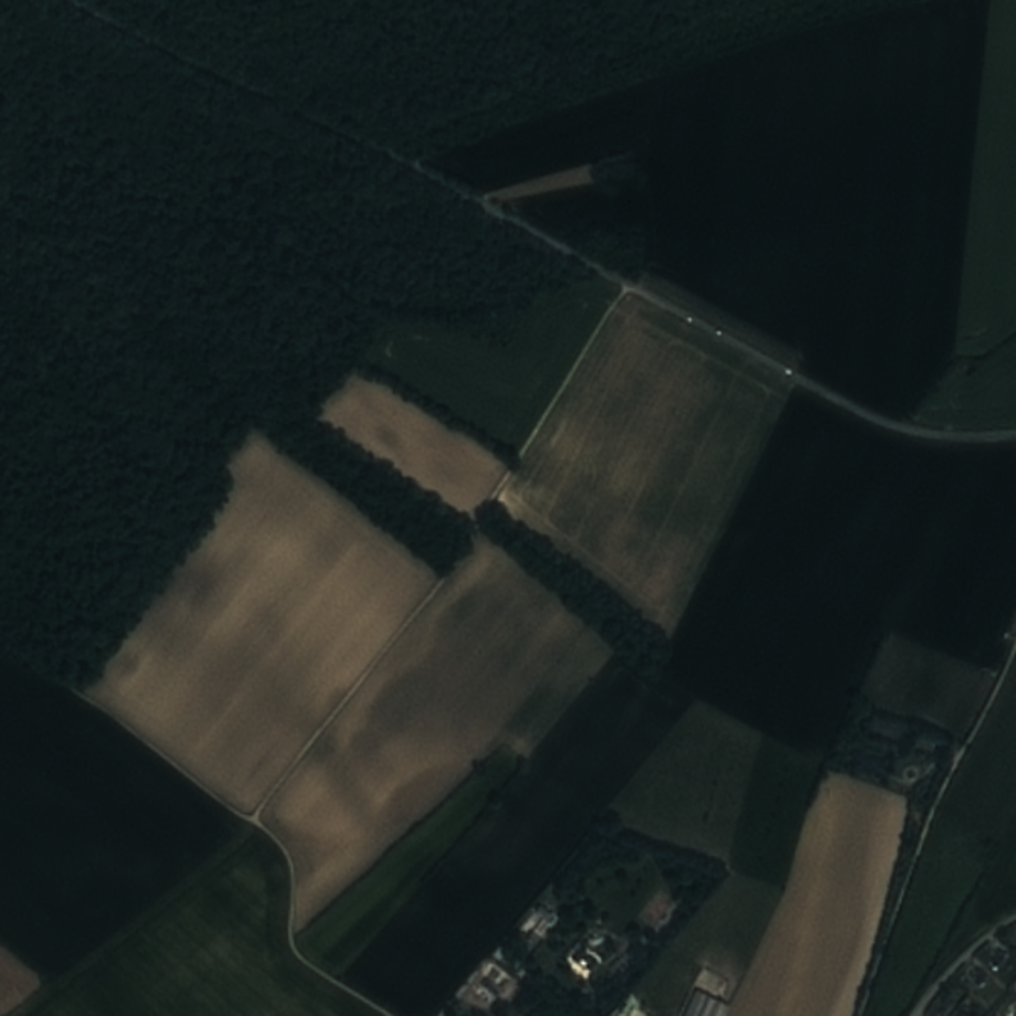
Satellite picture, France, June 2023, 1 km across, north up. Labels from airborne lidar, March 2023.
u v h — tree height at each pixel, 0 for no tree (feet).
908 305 0
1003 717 0
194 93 73
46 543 45
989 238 0
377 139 63
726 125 0
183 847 0
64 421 33
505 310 64
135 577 58
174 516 54
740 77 0
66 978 0
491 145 0
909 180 0
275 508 0
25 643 46
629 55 22
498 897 0
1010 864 0
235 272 70
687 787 0
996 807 0
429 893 0
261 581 0
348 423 0
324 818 0
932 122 0
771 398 0
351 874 0
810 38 0
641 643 70
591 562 0
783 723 0
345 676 0
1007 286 0
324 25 71
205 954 0
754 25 21
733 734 0
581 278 51
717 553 0
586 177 0
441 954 0
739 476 0
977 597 0
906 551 0
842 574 0
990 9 0
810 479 0
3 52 63
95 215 78
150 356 63
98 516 33
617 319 0
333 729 0
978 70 0
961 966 0
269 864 0
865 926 0
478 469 0
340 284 21
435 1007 0
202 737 0
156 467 54
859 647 0
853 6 32
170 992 0
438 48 53
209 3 58
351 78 75
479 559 0
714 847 0
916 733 43
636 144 0
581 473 0
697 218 0
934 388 23
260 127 66
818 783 25
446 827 0
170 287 70
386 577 0
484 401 0
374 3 56
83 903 0
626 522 0
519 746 0
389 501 28
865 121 0
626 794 0
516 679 0
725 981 0
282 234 74
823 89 0
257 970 0
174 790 0
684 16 37
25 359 58
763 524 0
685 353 0
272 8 71
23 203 77
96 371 42
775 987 0
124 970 0
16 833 0
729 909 0
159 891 0
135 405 52
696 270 0
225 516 0
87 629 59
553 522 0
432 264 61
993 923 0
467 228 72
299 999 0
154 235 86
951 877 0
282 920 0
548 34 42
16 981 0
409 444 0
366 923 0
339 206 73
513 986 0
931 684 0
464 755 0
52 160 80
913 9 0
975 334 0
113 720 0
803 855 0
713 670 0
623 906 0
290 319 75
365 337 51
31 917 0
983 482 0
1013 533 0
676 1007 0
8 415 52
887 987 0
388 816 0
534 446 0
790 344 0
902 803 0
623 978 52
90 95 67
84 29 75
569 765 0
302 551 0
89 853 0
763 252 0
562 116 0
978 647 0
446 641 0
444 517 30
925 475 0
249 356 58
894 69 0
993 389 0
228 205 88
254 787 0
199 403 61
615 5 66
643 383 0
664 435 0
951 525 0
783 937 0
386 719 0
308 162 65
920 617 0
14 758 0
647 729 0
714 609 0
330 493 0
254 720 0
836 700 0
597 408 0
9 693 0
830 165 0
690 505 0
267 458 0
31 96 47
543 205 0
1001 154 0
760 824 0
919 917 0
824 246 0
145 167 76
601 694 0
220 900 0
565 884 49
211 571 0
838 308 0
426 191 64
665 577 0
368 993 0
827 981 0
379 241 72
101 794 0
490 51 61
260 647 0
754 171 0
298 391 61
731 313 0
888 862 0
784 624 0
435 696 0
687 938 0
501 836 0
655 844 50
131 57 60
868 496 0
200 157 80
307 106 71
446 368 0
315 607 0
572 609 41
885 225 0
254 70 71
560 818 0
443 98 62
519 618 0
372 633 0
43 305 39
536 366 0
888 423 0
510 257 62
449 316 68
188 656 0
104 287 34
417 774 0
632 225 0
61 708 0
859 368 0
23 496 37
